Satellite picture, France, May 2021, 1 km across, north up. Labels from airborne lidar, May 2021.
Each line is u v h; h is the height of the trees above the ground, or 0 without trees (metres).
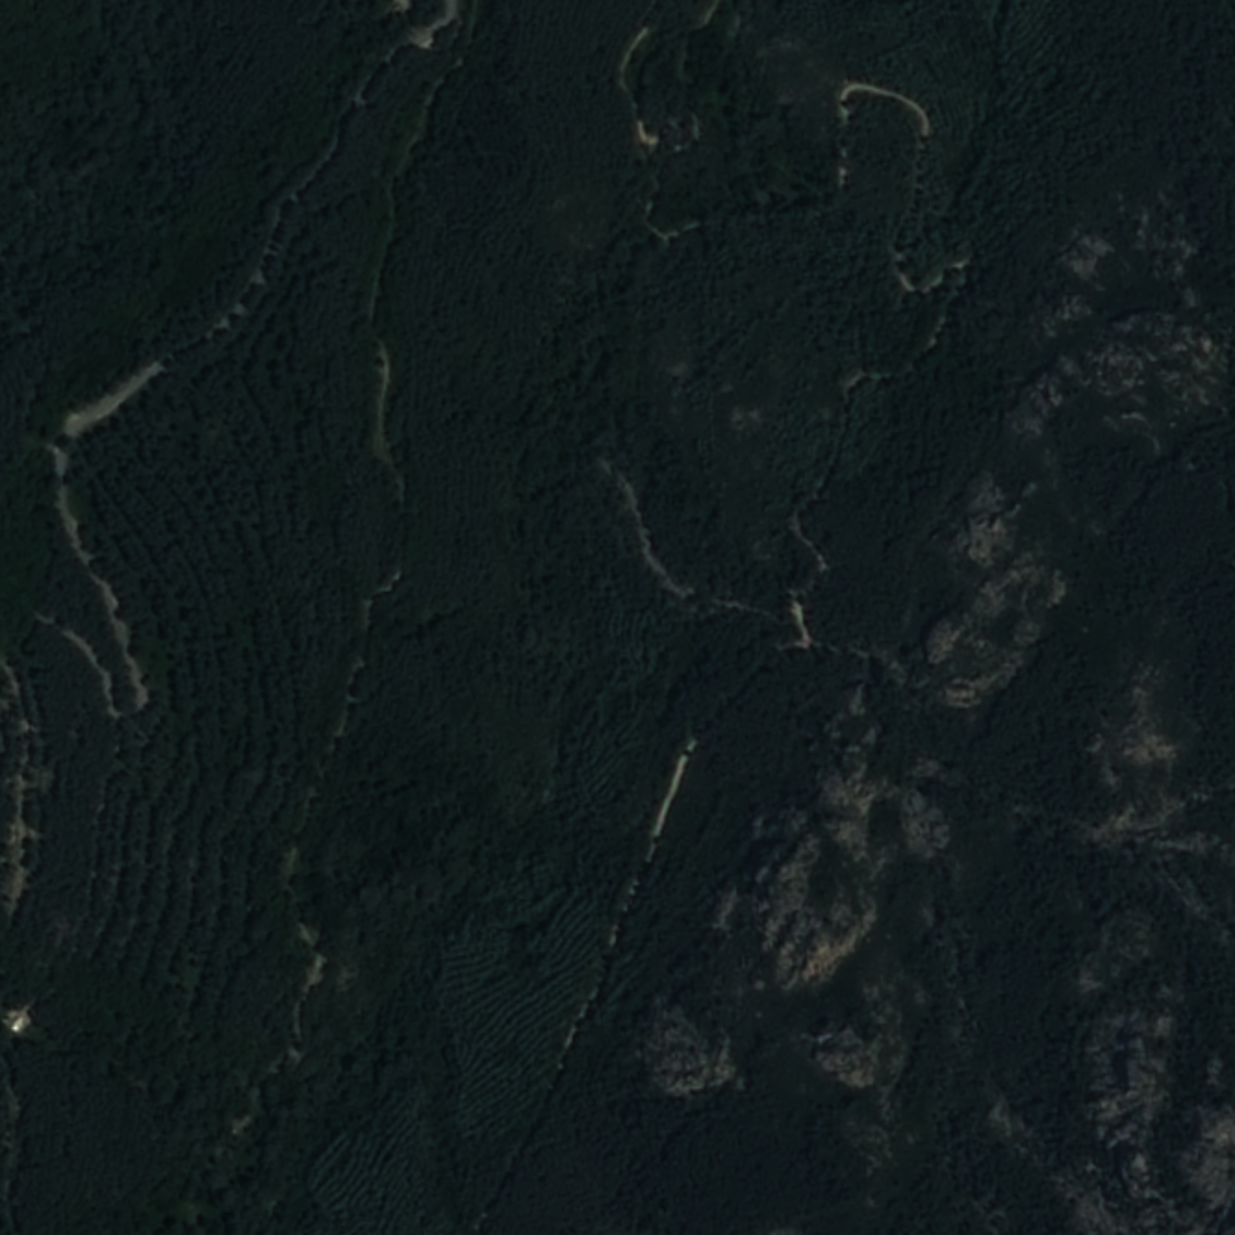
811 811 12
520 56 20
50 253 17
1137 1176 11
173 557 21
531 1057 21
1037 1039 16
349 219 14
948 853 12
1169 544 17
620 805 21
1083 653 12
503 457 24
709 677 21
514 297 21
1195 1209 13
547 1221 20
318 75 18
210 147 17
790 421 7
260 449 22
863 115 14
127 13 25
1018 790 11
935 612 8
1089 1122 7
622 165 18
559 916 20
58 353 21
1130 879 7
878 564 17
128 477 18
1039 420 0
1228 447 8
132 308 18
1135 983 10
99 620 22
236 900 21
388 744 15
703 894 7
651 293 7
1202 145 18
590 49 20
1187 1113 12
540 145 19
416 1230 18
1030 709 17
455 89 19
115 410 0
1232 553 17
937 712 6
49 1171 19
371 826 19
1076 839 19
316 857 15
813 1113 6
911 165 10
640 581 15
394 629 18
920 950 15
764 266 8
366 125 20
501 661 19
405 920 20
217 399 18
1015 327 6
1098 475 13
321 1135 12
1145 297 5
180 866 21
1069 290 7
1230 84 16
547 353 16
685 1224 11
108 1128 23
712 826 13
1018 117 21
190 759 20
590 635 13
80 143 19
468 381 16
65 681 21
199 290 5
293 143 15
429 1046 7
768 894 7
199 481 22
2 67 16
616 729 17
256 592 8
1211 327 9
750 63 9
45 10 13
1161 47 21
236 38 24
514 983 21
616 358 27
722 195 16
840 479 15
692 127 12
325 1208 17
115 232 13
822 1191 18
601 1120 17
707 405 12
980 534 0
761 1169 15
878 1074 10
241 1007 21
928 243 18
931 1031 17
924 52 14
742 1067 6
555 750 9
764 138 23
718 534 22
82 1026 15
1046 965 12
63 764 19
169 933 22
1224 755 11
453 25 7
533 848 9
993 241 19
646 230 14
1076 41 17
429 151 14
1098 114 22
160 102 24
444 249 16
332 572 10
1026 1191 13
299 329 17
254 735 18
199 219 15
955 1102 18
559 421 7
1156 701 0
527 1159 20
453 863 25
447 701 13
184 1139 9
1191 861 18
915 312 15
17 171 16
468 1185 16
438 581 19
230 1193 32
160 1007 18
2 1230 20
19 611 21
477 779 17
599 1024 12
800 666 20
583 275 20
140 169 20
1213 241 19
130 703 19
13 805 18
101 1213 22
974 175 22
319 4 23
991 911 11
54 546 23
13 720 18
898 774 10
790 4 18
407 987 12
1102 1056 9
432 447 23
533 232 14
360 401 9
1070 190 7
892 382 18
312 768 12
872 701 17
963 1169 15
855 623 15
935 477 16
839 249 13
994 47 13
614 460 14
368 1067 18
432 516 22
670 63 21
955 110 13
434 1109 16
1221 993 11
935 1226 15
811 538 18
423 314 21
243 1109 12
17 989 14
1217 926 9
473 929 18
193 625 26
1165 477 15
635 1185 15
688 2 16
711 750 16
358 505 18
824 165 13
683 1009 11
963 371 15
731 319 11
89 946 20
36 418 17
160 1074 19
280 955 10
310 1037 11
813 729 5
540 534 19
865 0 17
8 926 14
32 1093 18
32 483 10
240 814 18
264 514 17
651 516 17
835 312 6
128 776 20
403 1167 16
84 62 19
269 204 17
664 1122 16
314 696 8
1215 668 16
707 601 13
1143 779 0
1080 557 12
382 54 6
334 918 15
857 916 7
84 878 17
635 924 15
